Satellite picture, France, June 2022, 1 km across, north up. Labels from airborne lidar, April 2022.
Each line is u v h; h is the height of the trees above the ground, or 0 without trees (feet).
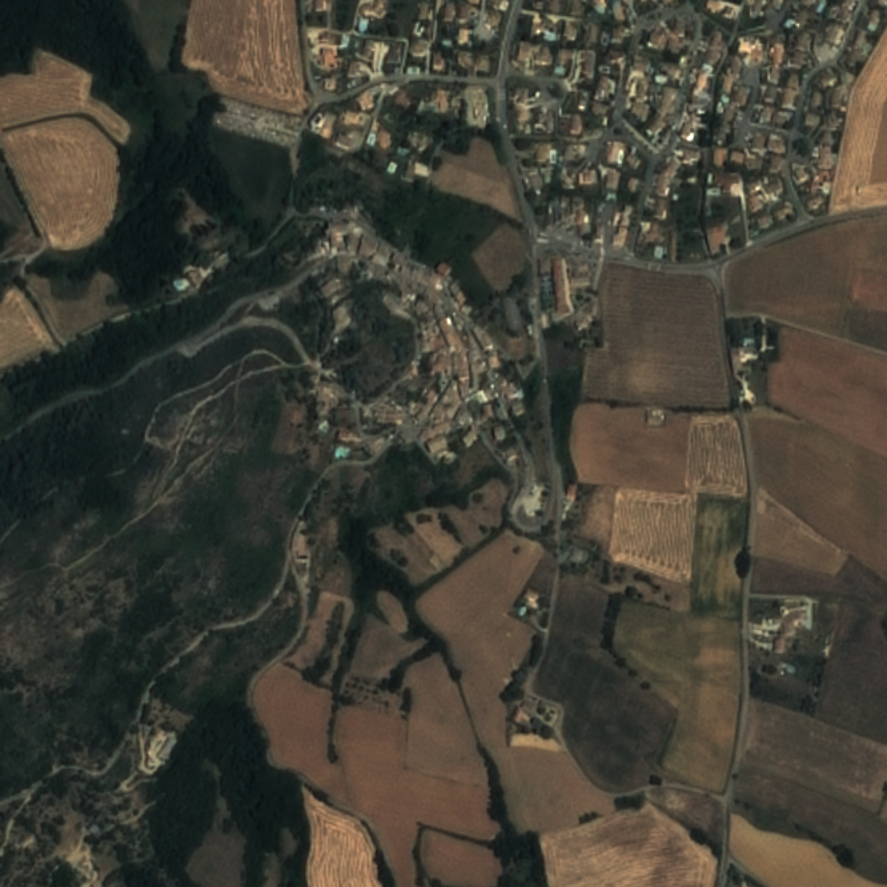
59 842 27
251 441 0
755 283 0
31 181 0
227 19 0
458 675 41
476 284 0
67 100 0
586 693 0
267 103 0
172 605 22
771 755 0
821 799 0
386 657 0
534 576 0
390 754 0
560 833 0
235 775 60
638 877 0
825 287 0
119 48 58
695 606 0
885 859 0
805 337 0
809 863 0
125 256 30
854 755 0
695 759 0
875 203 0
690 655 0
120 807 31
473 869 0
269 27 0
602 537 0
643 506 0
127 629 25
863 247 0
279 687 0
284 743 0
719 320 0
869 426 0
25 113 0
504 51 0
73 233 0
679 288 0
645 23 0
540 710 24
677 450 0
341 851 0
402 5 19
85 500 23
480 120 0
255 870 19
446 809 0
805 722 0
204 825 27
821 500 0
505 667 0
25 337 0
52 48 23
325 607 0
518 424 29
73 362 28
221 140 0
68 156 0
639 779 0
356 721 0
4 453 20
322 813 0
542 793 0
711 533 0
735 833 0
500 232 0
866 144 0
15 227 0
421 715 0
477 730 0
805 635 0
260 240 45
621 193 20
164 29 0
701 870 0
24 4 63
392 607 0
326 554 0
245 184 0
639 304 0
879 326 0
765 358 29
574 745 0
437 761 0
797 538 0
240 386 0
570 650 0
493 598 0
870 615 0
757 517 0
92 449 27
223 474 0
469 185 0
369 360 0
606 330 0
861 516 0
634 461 0
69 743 21
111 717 17
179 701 21
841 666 0
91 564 0
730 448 0
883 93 0
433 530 0
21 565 0
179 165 50
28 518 32
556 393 17
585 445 0
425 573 0
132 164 34
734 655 0
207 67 0
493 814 43
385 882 50
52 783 25
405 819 0
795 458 0
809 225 0
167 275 27
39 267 26
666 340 0
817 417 0
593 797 0
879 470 0
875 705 0
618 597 33
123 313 0
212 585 0
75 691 23
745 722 0
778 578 0
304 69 0
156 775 25
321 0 0
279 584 0
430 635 41
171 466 0
